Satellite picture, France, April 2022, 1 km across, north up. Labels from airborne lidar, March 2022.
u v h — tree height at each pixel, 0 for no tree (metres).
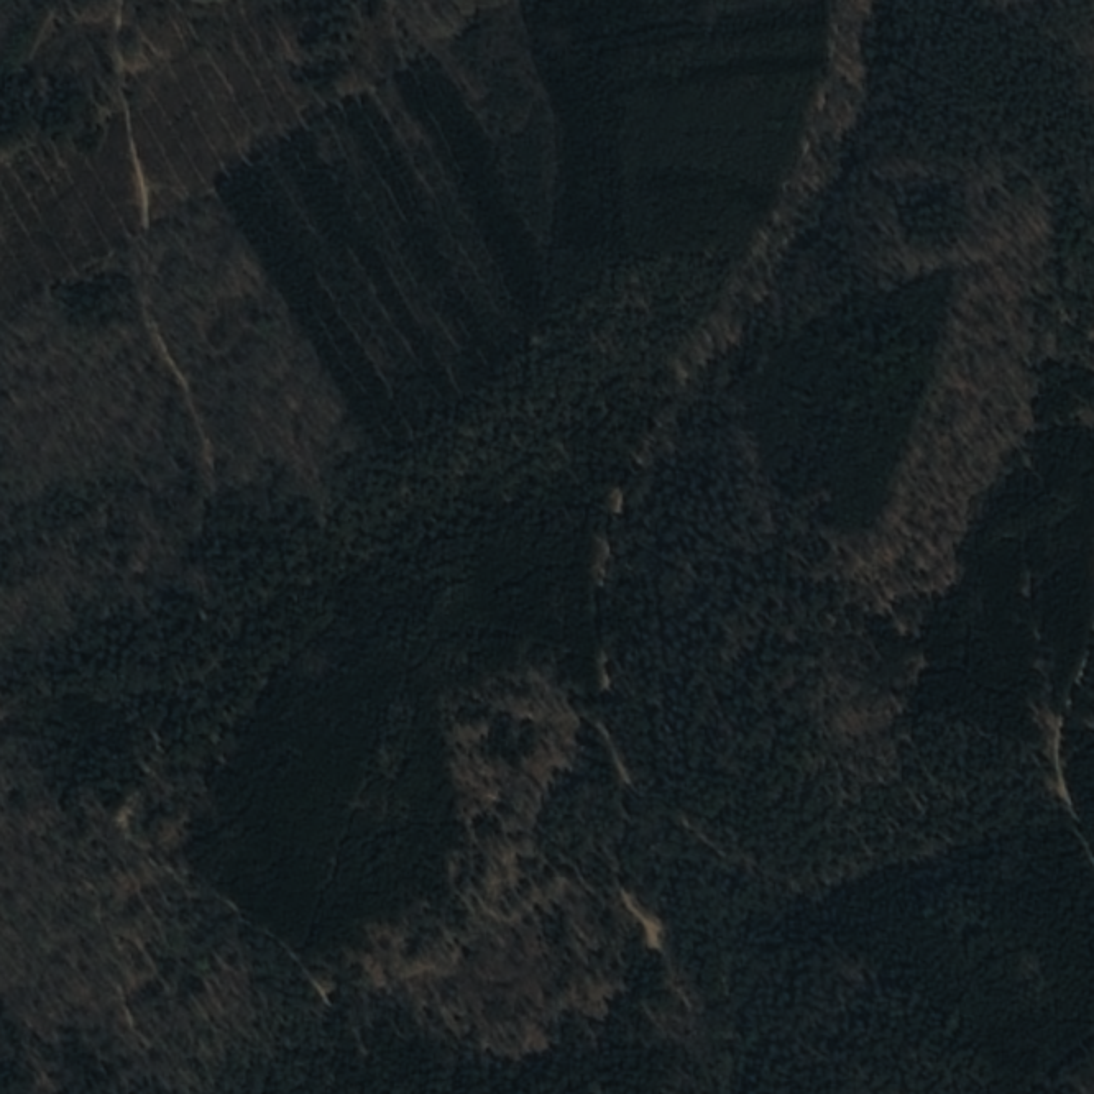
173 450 25
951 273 6
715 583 30
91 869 25
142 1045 24
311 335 15
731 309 24
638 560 11
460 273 11
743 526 32
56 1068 25
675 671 28
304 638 21
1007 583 14
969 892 28
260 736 15
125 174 8
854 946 19
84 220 8
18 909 29
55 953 24
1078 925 24
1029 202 23
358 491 18
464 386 15
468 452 22
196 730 27
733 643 33
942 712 21
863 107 24
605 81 17
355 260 13
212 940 26
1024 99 25
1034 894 26
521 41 9
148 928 29
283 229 21
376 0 17
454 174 15
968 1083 29
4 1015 16
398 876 17
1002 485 26
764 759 10
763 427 8
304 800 10
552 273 18
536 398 26
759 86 12
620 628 16
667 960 15
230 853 14
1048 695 26
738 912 24
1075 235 27
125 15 20
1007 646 16
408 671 14
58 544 23
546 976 11
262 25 10
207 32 11
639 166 18
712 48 17
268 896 11
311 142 18
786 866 26
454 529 29
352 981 29
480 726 28
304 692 13
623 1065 27
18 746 24
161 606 26
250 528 9
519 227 17
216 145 7
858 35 26
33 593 25
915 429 20
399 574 24
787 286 26
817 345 7
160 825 28
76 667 21
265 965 23
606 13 19
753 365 6
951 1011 18
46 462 25
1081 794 14
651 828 28
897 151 26
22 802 15
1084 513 13
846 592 27
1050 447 16
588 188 15
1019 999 19
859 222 26
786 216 25
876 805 25
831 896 28
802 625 30
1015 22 20
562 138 14
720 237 19
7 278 8
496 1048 28
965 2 26
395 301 19
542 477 31
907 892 15
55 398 27
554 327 15
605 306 26
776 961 33
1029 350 24
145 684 24
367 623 18
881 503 8
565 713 29
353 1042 17
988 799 32
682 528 26
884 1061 23
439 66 12
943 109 23
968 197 26
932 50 26
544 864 14
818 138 22
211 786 20
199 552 17
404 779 10
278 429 22
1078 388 17
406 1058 25
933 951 13
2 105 24
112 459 26
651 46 20
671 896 16
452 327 17
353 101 8
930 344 8
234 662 25
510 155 15
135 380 24
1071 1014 20
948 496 27
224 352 25
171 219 16
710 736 8
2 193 7
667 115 15
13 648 25
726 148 18
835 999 18
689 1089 20
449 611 19
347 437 23
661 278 28
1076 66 27
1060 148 19
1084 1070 36
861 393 8
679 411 28
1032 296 24
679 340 29
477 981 12
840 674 17
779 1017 29
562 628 17
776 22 22
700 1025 30
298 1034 10
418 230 16
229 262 26
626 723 37
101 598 25
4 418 27
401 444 16
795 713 7
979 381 26
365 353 18
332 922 13
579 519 23
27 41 21
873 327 7
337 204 17
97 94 22
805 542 8
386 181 17
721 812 17
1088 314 20
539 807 26
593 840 24
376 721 12
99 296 10
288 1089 20
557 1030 23
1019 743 14
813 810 28
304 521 26
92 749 10
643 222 21
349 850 9
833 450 12
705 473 20
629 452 20
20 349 25
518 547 13
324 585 15
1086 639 19
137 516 21
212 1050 24
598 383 29
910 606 14
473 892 26
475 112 15
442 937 15
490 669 16
